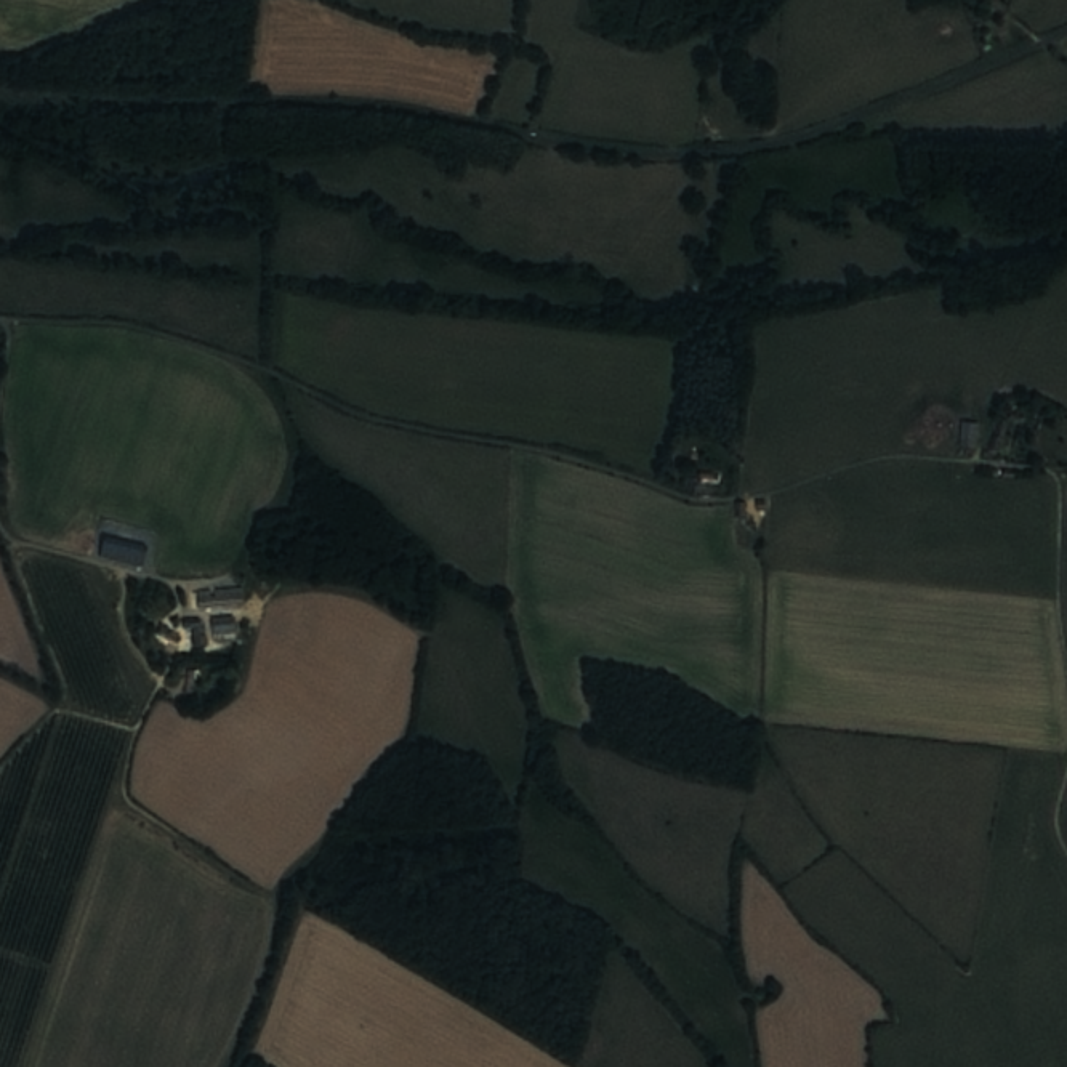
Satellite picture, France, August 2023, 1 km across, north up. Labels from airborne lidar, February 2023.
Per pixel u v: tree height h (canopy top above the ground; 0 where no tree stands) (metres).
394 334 0
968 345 0
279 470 0
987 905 0
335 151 20
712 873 0
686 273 0
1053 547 0
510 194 0
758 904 0
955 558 0
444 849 20
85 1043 0
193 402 0
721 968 0
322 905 14
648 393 0
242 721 0
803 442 0
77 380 0
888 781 0
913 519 0
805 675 0
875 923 0
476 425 0
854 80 0
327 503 17
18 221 0
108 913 0
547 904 17
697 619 0
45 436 0
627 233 0
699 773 15
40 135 20
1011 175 32
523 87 0
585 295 0
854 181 0
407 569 22
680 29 13
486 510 0
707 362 20
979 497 0
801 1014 0
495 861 23
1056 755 0
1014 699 0
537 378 0
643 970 14
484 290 0
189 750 0
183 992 0
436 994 0
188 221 12
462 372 0
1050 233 20
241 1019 0
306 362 0
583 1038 19
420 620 15
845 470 0
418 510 0
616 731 15
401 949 17
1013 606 0
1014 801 0
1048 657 0
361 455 0
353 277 0
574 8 0
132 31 22
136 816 0
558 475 0
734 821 0
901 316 0
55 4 0
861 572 0
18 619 0
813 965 0
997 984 0
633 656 0
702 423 27
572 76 0
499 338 0
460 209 0
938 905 0
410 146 18
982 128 0
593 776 0
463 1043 0
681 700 15
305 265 0
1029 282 21
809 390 0
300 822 0
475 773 15
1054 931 0
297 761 0
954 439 0
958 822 0
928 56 0
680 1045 0
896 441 0
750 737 15
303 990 0
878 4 0
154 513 0
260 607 0
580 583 0
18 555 0
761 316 18
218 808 0
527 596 0
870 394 0
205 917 0
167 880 0
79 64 20
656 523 0
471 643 0
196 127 26
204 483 0
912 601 0
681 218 0
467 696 0
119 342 0
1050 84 0
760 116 15
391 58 0
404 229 18
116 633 0
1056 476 0
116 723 0
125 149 26
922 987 0
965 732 0
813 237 0
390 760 14
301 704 0
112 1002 0
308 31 0
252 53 12
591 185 0
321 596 0
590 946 23
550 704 0
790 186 0
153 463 0
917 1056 0
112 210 0
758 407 0
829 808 0
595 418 0
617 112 0
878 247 0
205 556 0
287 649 0
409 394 0
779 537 0
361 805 15
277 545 20
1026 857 0
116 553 0
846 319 0
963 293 22
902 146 13
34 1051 0
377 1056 0
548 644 0
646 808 0
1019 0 0
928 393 0
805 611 0
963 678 0
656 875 0
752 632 0
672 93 0
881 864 0
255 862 0
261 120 20
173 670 11
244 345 0
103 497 0
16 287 0
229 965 0
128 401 0
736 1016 0
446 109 0
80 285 0
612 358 0
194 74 25
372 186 0
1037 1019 0
